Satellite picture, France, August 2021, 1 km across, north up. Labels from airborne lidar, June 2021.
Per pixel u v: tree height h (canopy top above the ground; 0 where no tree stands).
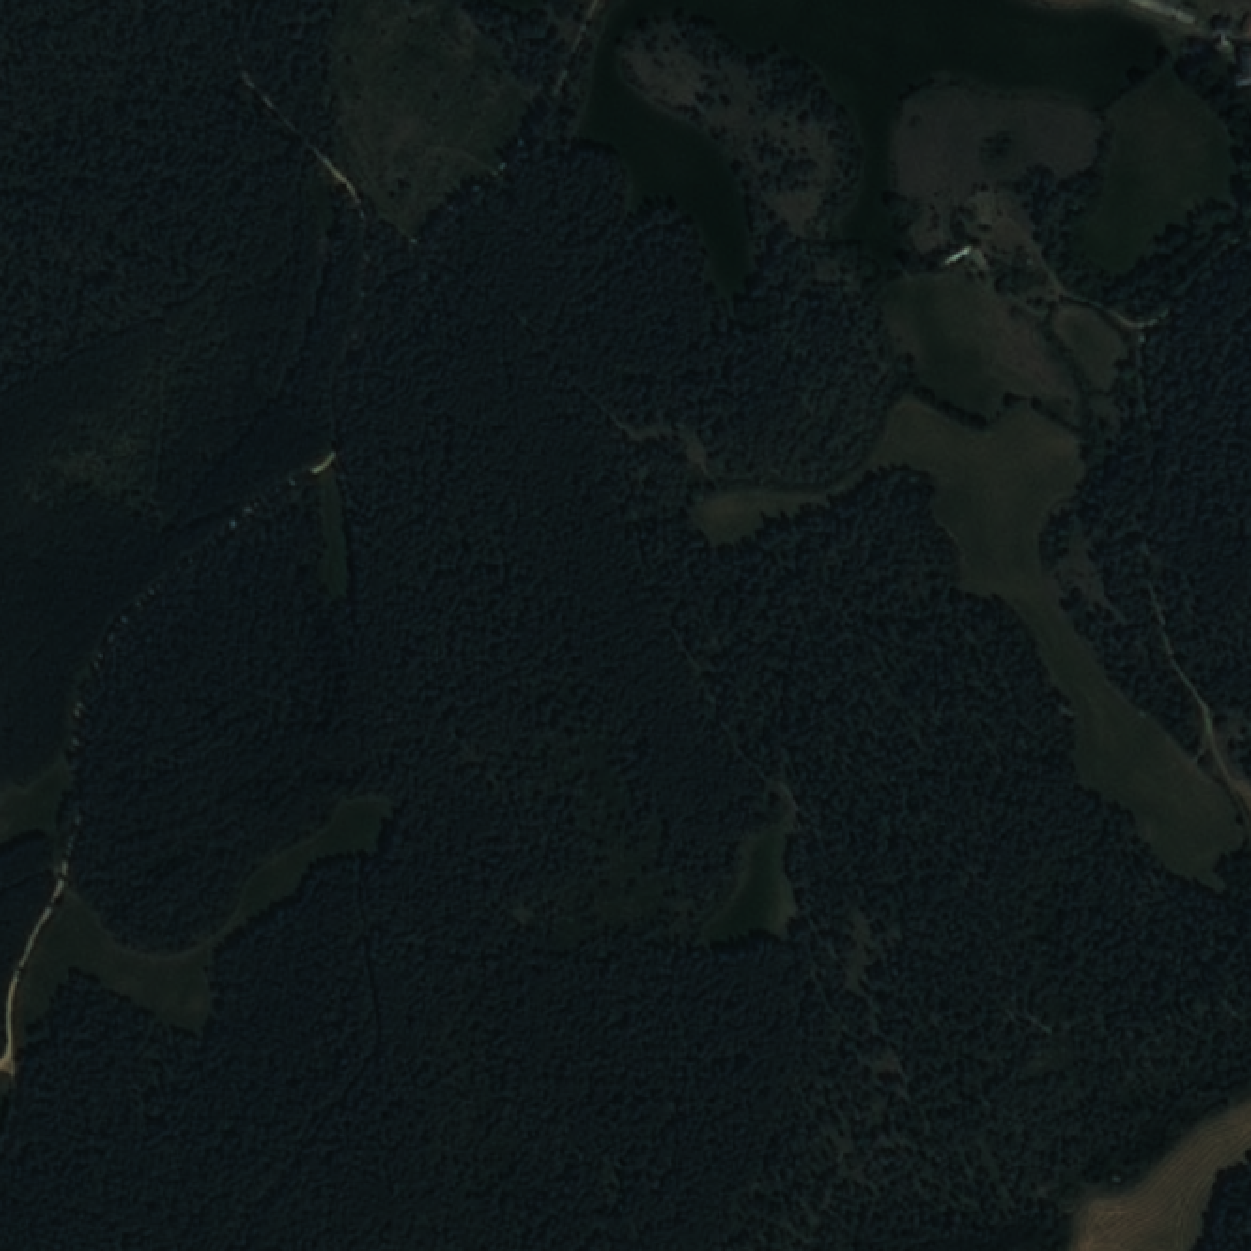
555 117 21
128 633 14
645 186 0
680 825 16
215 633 14
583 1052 14
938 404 12
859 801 15
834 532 12
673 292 22
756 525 0
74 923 0
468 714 12
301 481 10
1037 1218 11
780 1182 19
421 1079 16
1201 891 15
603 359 18
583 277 20
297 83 13
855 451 10
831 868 17
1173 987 20
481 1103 6
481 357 18
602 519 18
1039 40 0
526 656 15
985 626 18
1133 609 19
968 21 0
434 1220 13
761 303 15
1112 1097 20
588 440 18
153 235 19
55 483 10
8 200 19
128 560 14
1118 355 0
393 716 16
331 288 12
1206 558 14
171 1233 14
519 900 12
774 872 0
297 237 12
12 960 11
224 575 14
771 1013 17
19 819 0
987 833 14
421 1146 19
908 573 15
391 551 17
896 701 22
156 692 14
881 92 0
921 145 0
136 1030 12
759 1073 17
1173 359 8
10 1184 11
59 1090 12
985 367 0
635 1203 16
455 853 16
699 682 18
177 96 25
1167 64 11
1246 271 15
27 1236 10
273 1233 15
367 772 16
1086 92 0
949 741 15
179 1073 16
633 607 19
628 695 21
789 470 9
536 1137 13
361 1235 15
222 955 12
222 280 9
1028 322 0
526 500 18
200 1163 11
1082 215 19
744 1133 12
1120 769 0
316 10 11
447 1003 15
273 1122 11
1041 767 18
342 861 10
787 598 18
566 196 20
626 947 14
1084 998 12
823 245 8
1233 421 17
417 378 18
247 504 10
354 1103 12
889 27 0
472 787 14
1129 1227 0
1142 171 0
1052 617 0
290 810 14
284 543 18
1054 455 0
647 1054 14
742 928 0
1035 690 19
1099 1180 13
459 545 17
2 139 21
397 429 17
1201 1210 0
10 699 12
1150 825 0
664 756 18
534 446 19
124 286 16
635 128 0
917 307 0
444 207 0
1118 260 0
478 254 24
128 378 10
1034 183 9
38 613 11
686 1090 17
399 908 16
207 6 18
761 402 17
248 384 14
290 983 15
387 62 0
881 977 16
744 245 0
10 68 16
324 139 9
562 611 17
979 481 0
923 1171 20
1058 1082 15
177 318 11
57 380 12
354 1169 18
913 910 18
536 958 11
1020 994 10
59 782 0
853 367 12
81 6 17
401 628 18
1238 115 15
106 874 19
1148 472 16
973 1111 12
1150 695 15
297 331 13
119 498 7
